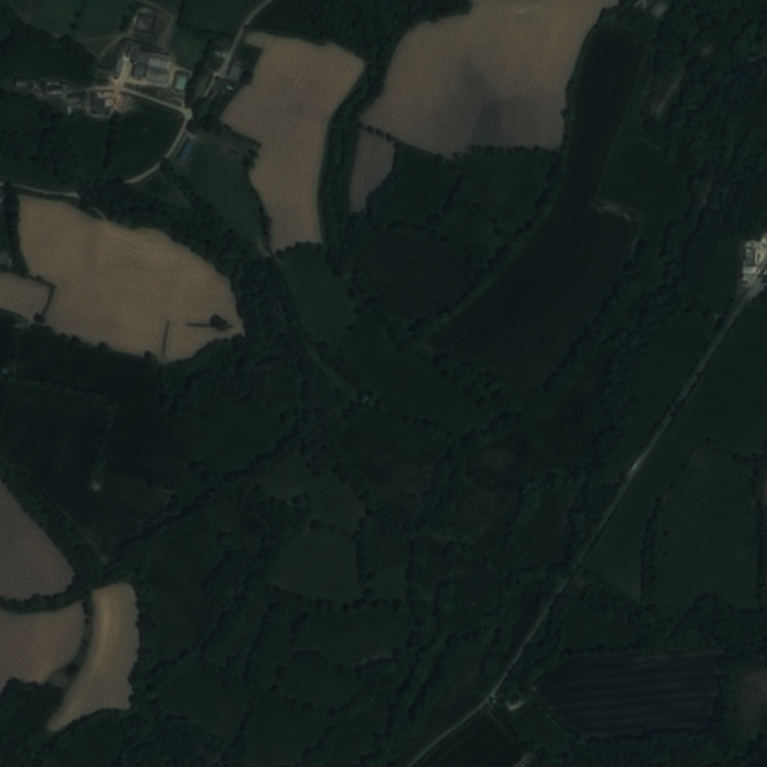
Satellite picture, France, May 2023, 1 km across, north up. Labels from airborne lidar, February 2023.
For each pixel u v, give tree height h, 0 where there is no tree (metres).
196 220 11
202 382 19
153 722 8
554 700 0
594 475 19
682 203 0
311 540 0
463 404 0
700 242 19
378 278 0
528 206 0
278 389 24
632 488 0
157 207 14
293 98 0
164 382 9
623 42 0
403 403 0
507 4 0
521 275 0
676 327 0
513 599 6
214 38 5
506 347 0
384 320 12
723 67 0
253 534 0
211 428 0
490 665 12
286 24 0
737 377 0
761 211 10
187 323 0
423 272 0
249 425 0
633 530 0
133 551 24
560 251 0
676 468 0
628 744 16
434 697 14
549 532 0
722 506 0
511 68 0
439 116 0
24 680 0
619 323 0
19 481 14
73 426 0
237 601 12
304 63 0
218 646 15
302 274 0
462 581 0
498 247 0
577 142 0
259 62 0
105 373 0
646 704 0
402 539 14
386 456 0
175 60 0
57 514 10
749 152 6
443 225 13
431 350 0
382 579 0
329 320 0
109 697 0
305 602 15
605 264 0
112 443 0
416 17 14
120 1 0
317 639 0
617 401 19
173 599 0
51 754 17
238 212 0
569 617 0
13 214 14
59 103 0
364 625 0
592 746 15
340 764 0
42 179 0
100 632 0
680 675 0
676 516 0
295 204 0
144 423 0
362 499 17
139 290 0
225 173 0
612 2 0
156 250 0
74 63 0
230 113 0
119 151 0
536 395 0
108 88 0
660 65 18
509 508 0
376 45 9
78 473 0
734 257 0
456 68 0
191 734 15
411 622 0
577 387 0
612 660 0
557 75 0
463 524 0
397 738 9
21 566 0
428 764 0
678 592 0
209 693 0
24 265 7
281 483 0
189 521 14
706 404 0
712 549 0
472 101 0
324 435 20
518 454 0
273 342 7
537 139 0
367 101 16
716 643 7
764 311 0
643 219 0
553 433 0
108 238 0
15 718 17
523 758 0
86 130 0
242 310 18
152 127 0
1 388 0
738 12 15
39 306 0
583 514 18
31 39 16
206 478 19
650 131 13
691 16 11
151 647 9
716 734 22
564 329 0
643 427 0
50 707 19
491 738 0
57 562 0
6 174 0
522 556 7
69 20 0
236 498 11
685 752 21
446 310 10
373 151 0
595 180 0
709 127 6
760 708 0
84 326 0
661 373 0
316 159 0
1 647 0
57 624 0
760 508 12
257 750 0
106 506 0
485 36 0
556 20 0
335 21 16
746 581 0
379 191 12
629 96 0
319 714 9
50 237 0
